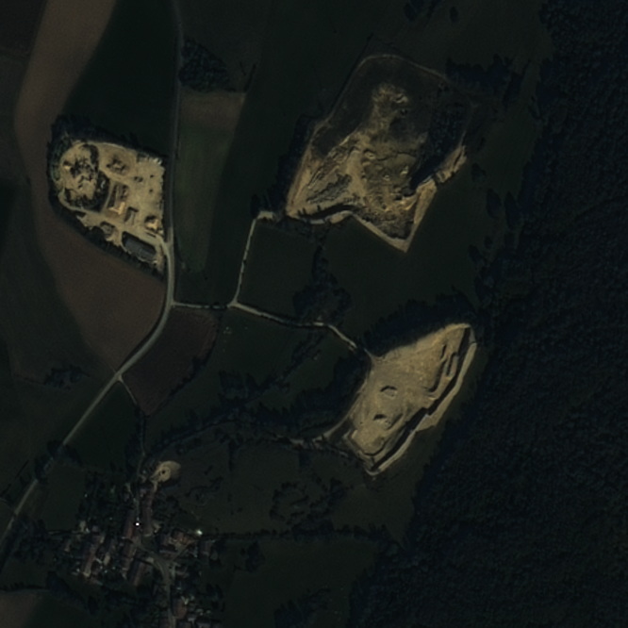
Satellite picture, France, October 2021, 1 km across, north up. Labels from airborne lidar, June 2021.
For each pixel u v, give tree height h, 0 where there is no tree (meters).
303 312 17
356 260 0
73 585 0
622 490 6
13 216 0
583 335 6
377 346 15
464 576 17
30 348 0
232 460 9
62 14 0
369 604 29
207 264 0
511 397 15
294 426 15
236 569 10
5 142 0
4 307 0
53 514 0
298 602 0
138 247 0
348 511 0
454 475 16
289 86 0
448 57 0
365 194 0
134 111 0
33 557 13
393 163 0
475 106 0
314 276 6
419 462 0
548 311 20
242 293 0
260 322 0
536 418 17
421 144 0
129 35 0
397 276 0
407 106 0
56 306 0
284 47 0
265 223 6
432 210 0
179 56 0
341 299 6
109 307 0
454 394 0
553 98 19
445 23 0
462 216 0
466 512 12
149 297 0
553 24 7
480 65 0
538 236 20
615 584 20
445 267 0
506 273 14
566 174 23
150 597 7
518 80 7
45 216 0
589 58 6
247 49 0
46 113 0
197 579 18
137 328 0
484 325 9
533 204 21
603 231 9
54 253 0
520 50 0
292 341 0
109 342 0
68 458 21
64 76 0
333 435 0
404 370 0
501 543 15
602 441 10
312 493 0
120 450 0
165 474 0
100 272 0
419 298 0
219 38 0
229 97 0
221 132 0
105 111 0
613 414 8
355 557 0
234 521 0
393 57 0
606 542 15
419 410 0
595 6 23
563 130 18
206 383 0
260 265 0
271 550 0
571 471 14
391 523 0
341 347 0
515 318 7
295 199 0
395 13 0
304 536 20
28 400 0
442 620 15
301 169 0
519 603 16
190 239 0
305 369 0
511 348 20
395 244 0
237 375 0
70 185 0
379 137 0
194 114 0
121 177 0
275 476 0
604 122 9
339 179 0
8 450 0
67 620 0
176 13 0
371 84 0
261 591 0
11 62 0
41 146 0
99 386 0
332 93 0
